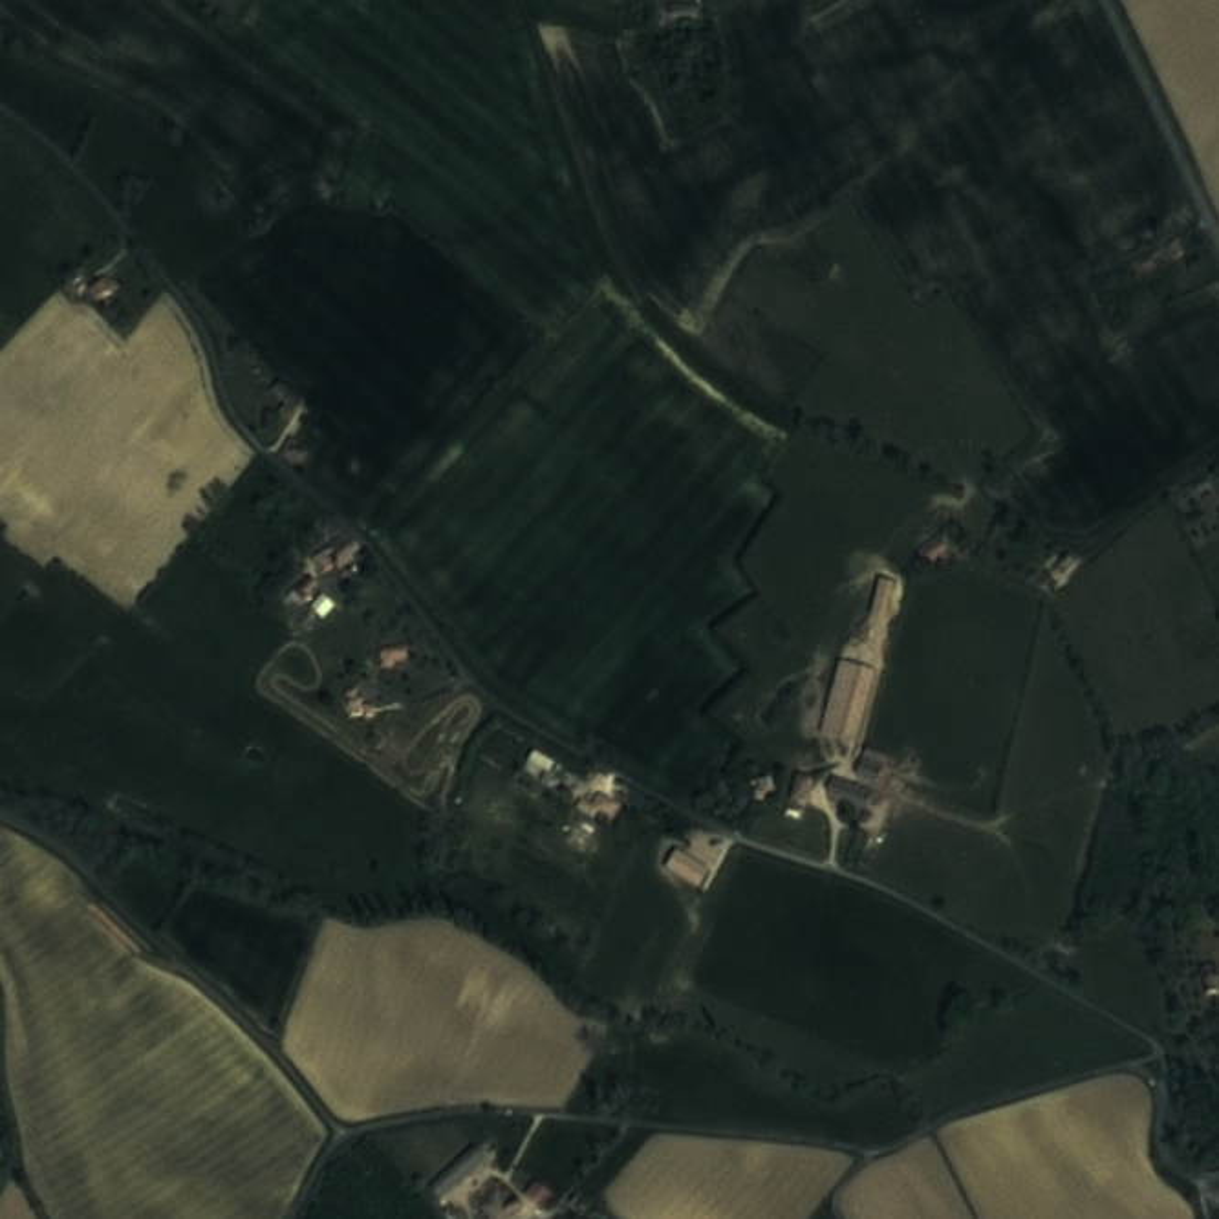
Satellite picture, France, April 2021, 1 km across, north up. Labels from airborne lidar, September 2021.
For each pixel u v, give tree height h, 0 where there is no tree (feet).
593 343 0
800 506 0
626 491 0
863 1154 0
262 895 66
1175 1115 29
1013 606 0
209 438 0
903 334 0
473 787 0
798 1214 0
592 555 0
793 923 0
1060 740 0
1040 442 0
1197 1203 40
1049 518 0
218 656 0
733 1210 0
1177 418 0
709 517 0
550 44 0
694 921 0
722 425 0
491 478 0
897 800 0
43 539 0
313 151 0
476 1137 0
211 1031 0
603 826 40
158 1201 0
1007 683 0
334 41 0
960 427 0
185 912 0
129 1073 0
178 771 0
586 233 0
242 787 0
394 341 0
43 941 0
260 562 0
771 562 0
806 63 0
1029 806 0
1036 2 0
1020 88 0
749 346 0
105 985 0
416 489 0
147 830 0
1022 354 0
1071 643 27
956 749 0
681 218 0
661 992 0
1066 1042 0
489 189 0
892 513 0
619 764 0
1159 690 0
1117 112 0
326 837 0
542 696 0
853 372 0
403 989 0
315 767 0
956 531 25
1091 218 0
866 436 68
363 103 0
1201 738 52
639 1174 0
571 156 0
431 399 0
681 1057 0
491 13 0
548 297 0
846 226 0
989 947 0
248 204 0
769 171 0
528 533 0
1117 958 0
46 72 0
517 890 0
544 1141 0
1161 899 64
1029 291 0
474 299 0
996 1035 0
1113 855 38
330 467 0
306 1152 0
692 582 0
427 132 0
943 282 0
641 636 0
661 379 0
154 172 0
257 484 0
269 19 0
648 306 0
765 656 0
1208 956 0
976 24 0
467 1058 0
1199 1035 63
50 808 63
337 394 0
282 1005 0
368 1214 18
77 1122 0
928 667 0
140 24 0
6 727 0
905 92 0
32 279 0
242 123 0
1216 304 0
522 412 0
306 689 0
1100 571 0
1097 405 0
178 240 0
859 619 0
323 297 0
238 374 0
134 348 0
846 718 0
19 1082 0
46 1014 0
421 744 0
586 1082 0
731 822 23
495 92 0
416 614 36
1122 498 0
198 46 0
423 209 0
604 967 0
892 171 0
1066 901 0
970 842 0
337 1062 0
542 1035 0
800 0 0
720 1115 0
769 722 34
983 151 0
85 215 0
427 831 50
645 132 0
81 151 38
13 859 0
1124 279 56
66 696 0
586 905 0
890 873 0
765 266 0
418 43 0
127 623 0
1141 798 35
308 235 0
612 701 0
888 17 0
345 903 0
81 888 0
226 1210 0
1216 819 29
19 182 0
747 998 0
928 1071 0
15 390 0
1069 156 0
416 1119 0
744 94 0
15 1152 40
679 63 21
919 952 0
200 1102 0
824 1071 0
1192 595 0
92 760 0
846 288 0
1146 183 0
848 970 0
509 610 0
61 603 0
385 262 0
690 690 0
